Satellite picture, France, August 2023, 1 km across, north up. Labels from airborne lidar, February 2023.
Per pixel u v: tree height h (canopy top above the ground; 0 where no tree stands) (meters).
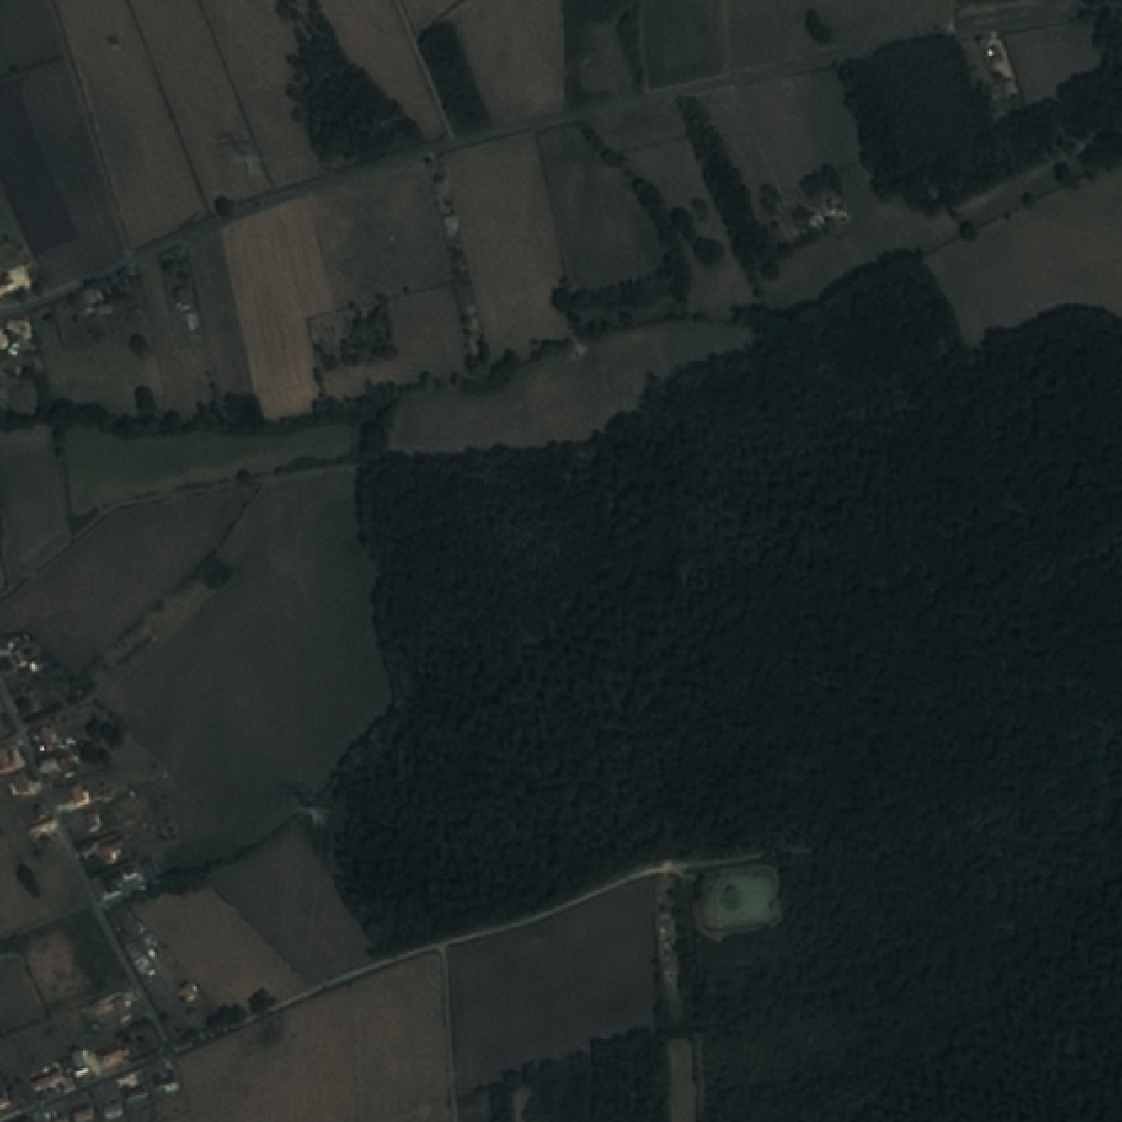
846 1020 8
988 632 18
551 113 0
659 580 16
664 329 0
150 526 0
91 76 0
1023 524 16
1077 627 17
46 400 9
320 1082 0
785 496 15
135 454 0
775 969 6
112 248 0
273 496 0
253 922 0
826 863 13
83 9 0
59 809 0
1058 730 17
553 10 0
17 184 0
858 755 19
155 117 0
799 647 14
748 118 0
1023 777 17
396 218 0
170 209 0
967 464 15
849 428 13
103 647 0
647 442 19
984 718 19
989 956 21
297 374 0
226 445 0
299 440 0
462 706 6
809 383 17
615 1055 16
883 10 0
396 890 6
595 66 0
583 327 20
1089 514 21
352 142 8
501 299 0
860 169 0
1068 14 0
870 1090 15
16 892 0
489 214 0
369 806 7
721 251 16
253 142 0
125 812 0
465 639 19
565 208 0
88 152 0
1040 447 19
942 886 17
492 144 0
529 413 0
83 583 0
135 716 0
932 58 16
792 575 12
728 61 0
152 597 0
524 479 21
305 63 11
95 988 0
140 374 0
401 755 12
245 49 0
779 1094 12
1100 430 17
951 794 17
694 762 15
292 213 0
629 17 8
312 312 0
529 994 0
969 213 0
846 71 12
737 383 20
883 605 23
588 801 16
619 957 0
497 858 12
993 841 10
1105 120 22
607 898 0
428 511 21
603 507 17
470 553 21
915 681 17
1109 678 16
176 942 0
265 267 0
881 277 20
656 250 0
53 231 0
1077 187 19
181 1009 0
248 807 0
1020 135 21
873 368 17
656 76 0
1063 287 0
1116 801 8
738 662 18
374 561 12
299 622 0
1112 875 21
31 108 0
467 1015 0
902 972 14
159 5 0
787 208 0
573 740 12
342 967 0
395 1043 0
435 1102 0
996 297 0
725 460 13
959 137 18
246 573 0
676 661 14
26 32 0
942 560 14
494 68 0
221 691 0
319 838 0
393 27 0
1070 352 17
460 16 0
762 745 13
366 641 0
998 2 0
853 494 15
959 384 14
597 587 19
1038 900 14
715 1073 8
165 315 0
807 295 0
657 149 0
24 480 0
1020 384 16
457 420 0
